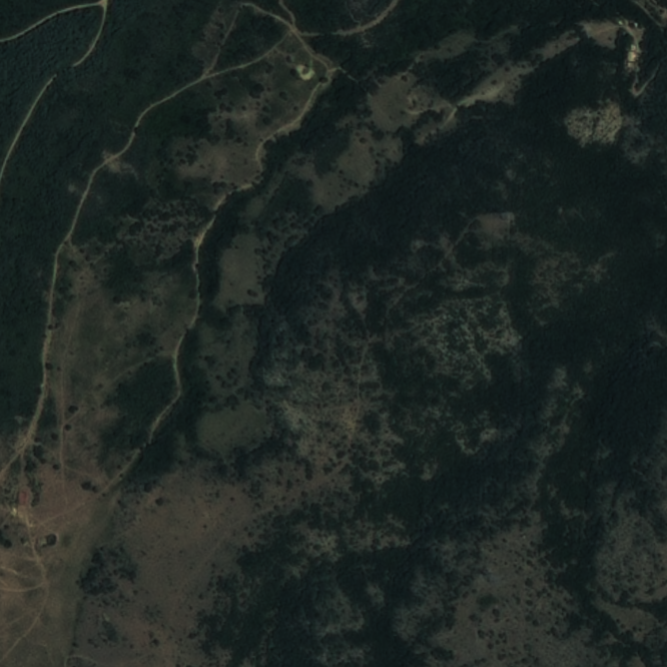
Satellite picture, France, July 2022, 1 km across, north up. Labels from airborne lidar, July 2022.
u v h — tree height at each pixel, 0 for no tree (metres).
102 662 0
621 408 10
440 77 7
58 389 0
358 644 8
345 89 12
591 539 8
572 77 7
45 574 0
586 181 9
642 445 8
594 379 8
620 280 10
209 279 10
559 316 9
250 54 6
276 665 6
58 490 0
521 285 8
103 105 7
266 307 7
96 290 0
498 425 7
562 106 8
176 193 10
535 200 6
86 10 6
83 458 0
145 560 0
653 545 0
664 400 7
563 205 7
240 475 7
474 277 6
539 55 7
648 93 7
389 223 7
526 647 6
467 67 6
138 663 0
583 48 11
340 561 9
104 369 0
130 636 0
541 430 7
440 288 7
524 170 7
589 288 7
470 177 6
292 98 0
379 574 6
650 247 8
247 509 0
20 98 13
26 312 9
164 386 7
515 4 12
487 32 7
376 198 8
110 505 0
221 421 0
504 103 9
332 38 11
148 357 7
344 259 6
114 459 0
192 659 0
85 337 0
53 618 0
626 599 6
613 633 7
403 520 6
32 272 8
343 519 7
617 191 9
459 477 8
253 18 8
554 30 13
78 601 0
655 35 10
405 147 8
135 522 0
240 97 0
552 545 12
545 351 7
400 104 0
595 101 9
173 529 0
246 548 7
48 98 6
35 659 0
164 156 7
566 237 5
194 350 11
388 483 8
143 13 6
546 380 6
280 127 0
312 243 8
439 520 6
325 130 9
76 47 12
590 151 10
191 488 0
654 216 7
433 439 6
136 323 0
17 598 0
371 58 8
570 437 9
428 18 9
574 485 8
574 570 9
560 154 11
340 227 6
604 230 8
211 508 0
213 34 0
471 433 8
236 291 0
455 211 6
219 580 6
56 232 15
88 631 0
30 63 10
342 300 6
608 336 8
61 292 8
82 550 0
